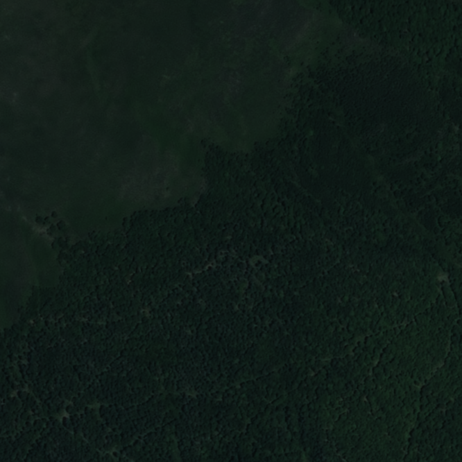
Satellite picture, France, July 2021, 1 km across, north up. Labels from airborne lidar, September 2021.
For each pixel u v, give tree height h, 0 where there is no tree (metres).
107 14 0
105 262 20
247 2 0
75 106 0
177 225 20
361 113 13
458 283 23
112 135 0
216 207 15
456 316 18
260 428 24
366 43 0
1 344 18
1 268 0
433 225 13
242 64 0
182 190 0
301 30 0
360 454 13
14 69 0
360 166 14
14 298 0
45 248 0
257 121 0
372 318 20
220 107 0
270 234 16
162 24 0
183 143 0
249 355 21
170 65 0
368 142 9
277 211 23
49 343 20
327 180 11
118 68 0
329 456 15
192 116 0
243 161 12
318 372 10
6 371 28
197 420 26
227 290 23
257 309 16
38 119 0
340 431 18
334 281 19
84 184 0
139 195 0
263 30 0
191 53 0
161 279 15
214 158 14
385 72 13
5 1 0
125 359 28
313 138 6
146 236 17
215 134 0
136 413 24
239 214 16
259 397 16
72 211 0
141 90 0
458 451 21
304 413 21
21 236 0
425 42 28
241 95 0
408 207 12
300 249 8
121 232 6
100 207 0
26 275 0
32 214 0
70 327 17
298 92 7
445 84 15
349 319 19
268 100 0
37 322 18
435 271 24
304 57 0
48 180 0
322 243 22
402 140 14
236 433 19
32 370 26
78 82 0
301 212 25
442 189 7
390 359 9
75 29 0
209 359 14
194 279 16
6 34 0
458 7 18
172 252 27
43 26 0
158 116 0
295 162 12
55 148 0
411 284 25
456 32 27
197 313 11
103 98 0
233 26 0
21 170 0
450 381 8
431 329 17
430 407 21
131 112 0
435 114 10
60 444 23
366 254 12
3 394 23
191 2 0
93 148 0
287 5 0
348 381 15
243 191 20
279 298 20
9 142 0
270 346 9
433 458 21
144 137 0
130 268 13
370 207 14
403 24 30
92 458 22
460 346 21
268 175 19
